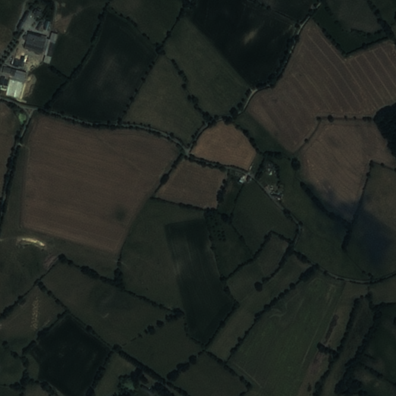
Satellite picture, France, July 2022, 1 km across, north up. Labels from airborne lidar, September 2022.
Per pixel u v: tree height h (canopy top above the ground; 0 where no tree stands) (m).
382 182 0
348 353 0
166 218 0
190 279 0
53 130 0
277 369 0
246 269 0
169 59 0
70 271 0
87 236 0
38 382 9
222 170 10
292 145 0
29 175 0
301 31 0
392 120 21
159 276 0
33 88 0
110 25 0
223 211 0
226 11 0
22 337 0
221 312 0
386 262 0
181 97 0
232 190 0
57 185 0
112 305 0
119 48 0
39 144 0
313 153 0
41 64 0
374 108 0
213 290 0
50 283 0
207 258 0
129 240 0
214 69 0
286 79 0
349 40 0
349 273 0
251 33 0
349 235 12
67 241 0
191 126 0
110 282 10
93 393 25
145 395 0
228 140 0
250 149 0
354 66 0
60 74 11
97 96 0
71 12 0
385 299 0
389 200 0
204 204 0
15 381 0
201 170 0
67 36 0
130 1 0
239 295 0
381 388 0
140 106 0
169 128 0
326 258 0
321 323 0
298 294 0
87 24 0
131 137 0
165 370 0
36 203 0
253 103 0
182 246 0
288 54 14
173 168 9
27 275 0
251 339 0
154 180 0
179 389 9
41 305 0
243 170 6
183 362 0
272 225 0
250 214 0
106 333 0
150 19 0
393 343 0
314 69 0
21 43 0
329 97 0
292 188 0
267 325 0
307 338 0
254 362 0
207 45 0
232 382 0
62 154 0
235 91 0
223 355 0
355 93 0
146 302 6
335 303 0
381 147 0
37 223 0
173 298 0
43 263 0
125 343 0
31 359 0
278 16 0
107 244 0
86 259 0
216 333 6
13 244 0
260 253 6
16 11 0
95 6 0
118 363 0
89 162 0
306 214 0
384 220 0
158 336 0
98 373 10
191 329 0
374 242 0
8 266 0
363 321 0
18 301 6
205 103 0
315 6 10
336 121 0
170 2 0
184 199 0
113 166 0
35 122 0
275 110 0
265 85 12
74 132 0
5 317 13
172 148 0
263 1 0
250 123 0
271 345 0
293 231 0
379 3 0
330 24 0
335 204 0
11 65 0
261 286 15
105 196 0
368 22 0
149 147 0
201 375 0
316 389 6
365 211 0
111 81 0
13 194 0
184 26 0
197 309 0
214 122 12
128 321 0
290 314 0
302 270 0
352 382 11
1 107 0
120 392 13
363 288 0
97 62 0
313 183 0
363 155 0
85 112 0
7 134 0
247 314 0
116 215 0
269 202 0
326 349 18
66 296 0
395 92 0
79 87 0
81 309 0
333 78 0
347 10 0
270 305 8
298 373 0
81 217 0
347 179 0
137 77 0
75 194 0
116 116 0
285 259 13
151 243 0
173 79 0
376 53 0
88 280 0
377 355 0
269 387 0
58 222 0
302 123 0
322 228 0
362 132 0
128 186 0
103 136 0
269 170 0
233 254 0
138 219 0
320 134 0
